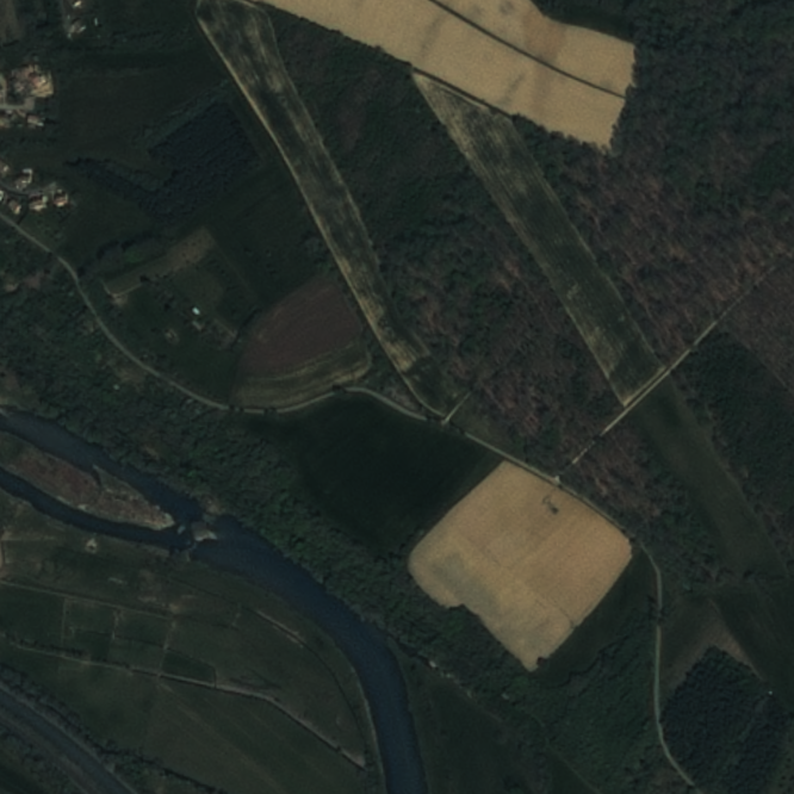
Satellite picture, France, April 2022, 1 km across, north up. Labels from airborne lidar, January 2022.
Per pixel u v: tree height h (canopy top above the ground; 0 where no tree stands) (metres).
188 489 21
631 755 9
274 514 20
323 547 14
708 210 11
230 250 0
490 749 0
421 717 0
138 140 8
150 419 14
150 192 9
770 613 0
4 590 0
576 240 0
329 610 0
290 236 0
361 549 19
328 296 0
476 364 28
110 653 0
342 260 0
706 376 14
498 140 0
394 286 26
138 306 0
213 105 8
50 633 0
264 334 0
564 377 9
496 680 19
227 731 0
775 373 12
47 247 0
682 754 14
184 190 13
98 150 0
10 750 16
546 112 0
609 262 22
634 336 0
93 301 6
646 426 0
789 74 29
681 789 17
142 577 0
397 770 0
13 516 0
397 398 0
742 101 28
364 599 19
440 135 15
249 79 0
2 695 0
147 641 0
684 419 0
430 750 0
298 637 0
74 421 16
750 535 0
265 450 8
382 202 9
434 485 0
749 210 27
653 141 27
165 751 0
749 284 25
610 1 15
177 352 0
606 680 7
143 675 0
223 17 0
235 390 0
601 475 22
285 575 0
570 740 9
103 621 0
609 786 9
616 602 0
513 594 0
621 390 0
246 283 0
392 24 0
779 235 19
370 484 0
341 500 0
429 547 0
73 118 0
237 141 13
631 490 25
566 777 0
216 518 0
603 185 30
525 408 25
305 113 0
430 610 20
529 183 0
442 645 19
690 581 15
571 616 0
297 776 0
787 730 14
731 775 12
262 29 0
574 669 0
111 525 0
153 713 0
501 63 0
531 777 0
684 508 17
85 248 0
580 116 0
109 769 16
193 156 14
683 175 29
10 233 10
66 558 0
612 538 0
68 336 8
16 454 0
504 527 0
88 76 0
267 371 0
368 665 0
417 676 8
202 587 0
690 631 0
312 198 0
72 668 0
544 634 0
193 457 19
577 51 0
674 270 28
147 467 22
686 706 14
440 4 0
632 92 0
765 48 33
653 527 10
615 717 8
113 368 0
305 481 0
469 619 12
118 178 12
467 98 0
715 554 7
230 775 0
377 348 11
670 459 0
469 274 26
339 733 0
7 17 0
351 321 0
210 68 0
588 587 0
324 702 0
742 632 0
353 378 0
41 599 0
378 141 8
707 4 26
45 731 0
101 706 0
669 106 26
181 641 0
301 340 0
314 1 0
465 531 0
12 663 0
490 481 0
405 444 0
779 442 13
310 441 0
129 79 0
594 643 0
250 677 0
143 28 0
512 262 31
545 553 0
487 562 0
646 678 6
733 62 33
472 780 0
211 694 0
